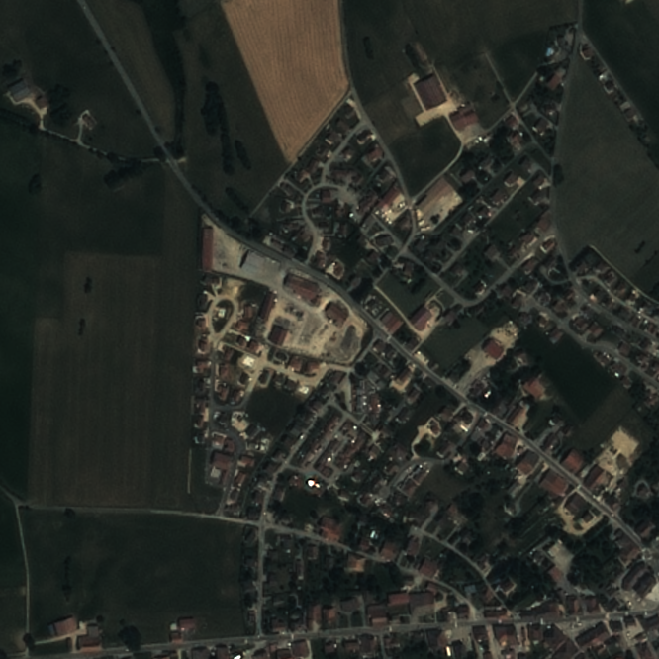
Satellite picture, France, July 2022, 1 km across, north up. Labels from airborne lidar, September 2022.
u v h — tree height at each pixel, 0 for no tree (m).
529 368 8
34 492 0
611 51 0
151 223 0
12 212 0
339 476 0
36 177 8
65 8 0
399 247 0
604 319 0
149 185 0
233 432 0
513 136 0
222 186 0
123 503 0
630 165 0
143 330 0
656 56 0
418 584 0
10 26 0
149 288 0
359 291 15
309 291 0
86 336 0
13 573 0
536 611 0
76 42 0
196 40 0
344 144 0
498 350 0
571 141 0
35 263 0
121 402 0
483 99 0
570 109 0
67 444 0
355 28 0
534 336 0
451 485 0
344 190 0
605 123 0
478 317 6
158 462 0
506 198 0
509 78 0
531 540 0
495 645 0
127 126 0
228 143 10
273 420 0
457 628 0
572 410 0
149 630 0
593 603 0
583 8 0
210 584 0
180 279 0
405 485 0
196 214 0
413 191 0
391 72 0
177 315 0
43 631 0
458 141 0
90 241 0
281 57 0
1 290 0
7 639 0
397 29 0
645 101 0
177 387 0
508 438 0
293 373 0
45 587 0
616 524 0
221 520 0
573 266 11
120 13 0
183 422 0
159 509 0
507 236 0
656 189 0
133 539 0
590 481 0
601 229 0
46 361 0
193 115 0
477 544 13
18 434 0
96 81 0
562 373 0
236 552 0
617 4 0
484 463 7
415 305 0
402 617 7
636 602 0
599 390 0
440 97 0
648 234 0
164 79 0
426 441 0
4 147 0
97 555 0
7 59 0
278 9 0
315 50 0
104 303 0
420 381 8
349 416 0
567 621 0
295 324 0
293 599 6
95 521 0
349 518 0
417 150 0
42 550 0
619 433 0
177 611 0
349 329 0
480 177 7
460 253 0
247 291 0
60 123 9
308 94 0
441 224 0
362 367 19
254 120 0
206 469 0
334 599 0
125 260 0
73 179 0
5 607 0
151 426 0
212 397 0
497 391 14
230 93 0
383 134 0
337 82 0
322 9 0
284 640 0
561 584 0
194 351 0
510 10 0
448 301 0
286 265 0
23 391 0
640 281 0
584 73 0
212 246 0
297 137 0
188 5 0
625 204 0
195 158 0
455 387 0
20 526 0
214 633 0
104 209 0
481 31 0
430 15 0
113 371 0
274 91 0
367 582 7
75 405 0
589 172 0
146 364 0
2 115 7
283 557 0
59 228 0
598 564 14
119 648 0
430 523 0
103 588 0
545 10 0
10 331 0
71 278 0
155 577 0
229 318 0
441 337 0
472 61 0
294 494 0
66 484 0
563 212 0
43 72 0
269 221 0
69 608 0
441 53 0
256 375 0
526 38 0
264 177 0
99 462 0
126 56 0
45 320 0
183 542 0
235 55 0
